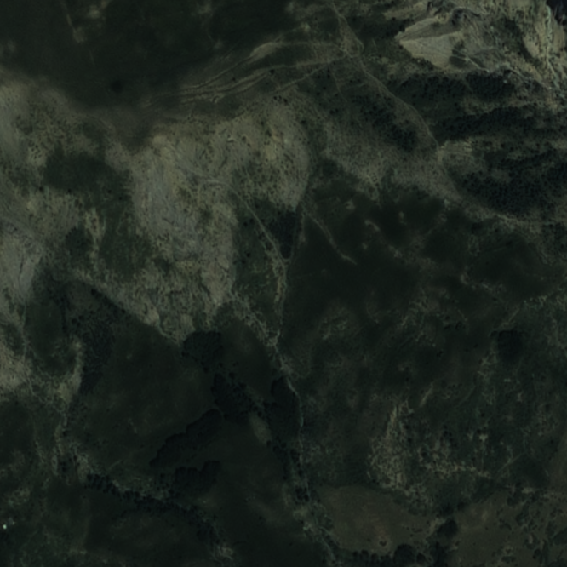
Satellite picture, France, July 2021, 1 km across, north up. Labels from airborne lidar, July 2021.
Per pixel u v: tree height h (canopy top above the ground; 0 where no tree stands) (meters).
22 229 0
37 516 0
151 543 0
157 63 0
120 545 0
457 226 0
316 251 0
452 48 0
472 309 0
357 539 0
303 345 0
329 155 0
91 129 0
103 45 0
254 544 0
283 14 0
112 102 0
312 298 0
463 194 0
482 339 0
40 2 0
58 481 0
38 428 0
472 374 0
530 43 0
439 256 0
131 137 0
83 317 11
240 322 0
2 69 0
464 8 0
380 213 0
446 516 9
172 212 0
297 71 0
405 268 0
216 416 19
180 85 0
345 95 0
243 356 0
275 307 0
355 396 0
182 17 0
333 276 0
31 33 0
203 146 0
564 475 0
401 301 0
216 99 0
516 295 0
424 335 0
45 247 0
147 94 0
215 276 0
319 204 0
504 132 0
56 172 0
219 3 0
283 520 0
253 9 0
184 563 0
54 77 0
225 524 0
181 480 19
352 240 0
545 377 7
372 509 0
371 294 0
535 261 0
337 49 0
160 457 17
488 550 0
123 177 0
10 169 0
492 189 6
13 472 0
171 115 0
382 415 0
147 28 0
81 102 0
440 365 0
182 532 0
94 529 0
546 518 0
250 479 0
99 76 0
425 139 0
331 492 0
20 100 0
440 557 20
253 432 0
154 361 0
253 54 0
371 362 0
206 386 0
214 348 21
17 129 0
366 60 0
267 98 0
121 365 0
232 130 0
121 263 0
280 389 22
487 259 0
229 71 0
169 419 0
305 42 0
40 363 0
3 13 0
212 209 0
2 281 0
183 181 0
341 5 0
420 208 0
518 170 6
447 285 0
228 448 0
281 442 20
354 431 0
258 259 0
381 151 0
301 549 0
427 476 0
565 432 0
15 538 0
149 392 0
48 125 0
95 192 0
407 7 0
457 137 6
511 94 6
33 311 0
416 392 0
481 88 7
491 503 0
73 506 0
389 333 0
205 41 0
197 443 16
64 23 0
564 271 0
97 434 0
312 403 0
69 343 0
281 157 0
